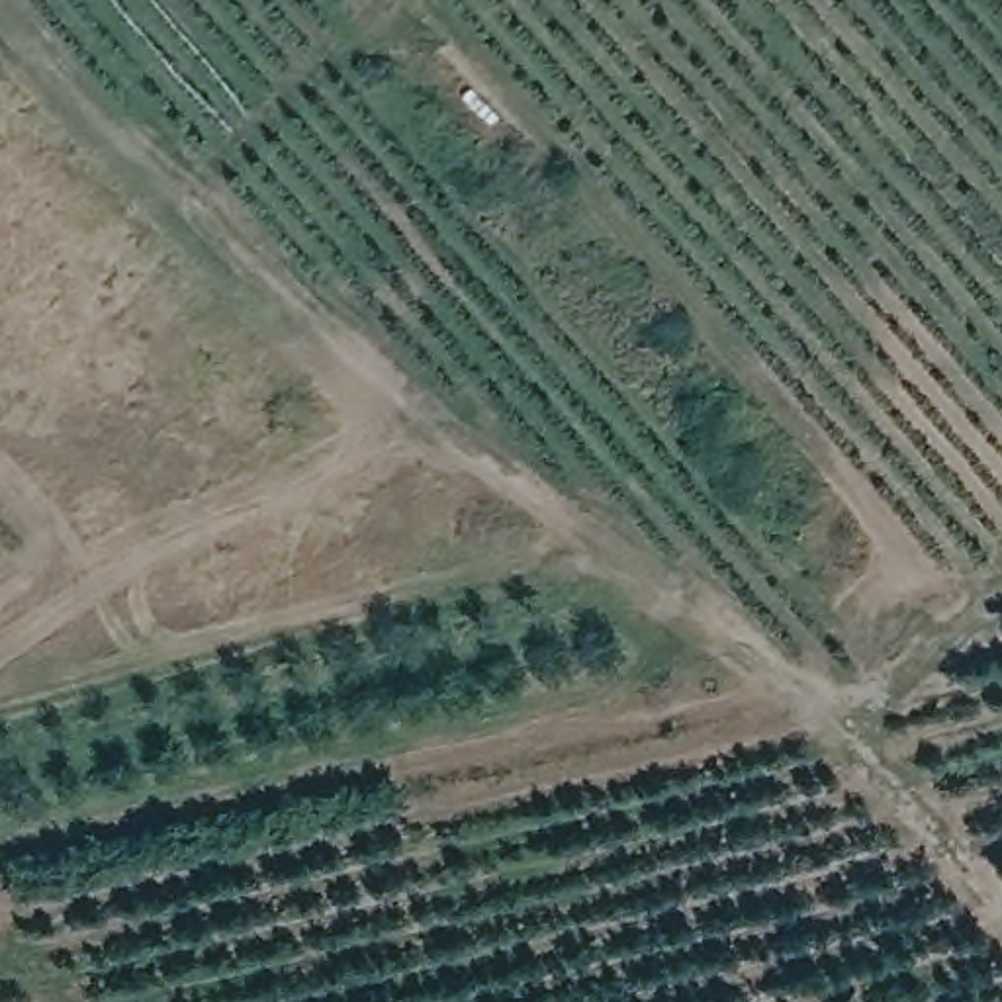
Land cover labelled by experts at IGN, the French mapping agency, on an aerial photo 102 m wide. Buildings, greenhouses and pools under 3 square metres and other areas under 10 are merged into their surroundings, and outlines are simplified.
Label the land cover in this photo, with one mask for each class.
<instances>
[{"label":"deciduous trees","instance_id":"1","mask_svg":"<svg viewBox=\"0 0 1002 1002\"><path fill-rule=\"evenodd\" d=\"M47 27L102 86L94 102L114 121L145 125L153 141L168 153V160L188 176L211 188L227 180L231 196L254 211L262 231L294 254V278L309 286V301L341 317L368 341H376V348L411 384L434 391L462 419L458 442L466 450L489 454L513 474H540L579 513L611 517L615 536L634 548L650 540L661 552L665 571H673L677 579H708L716 591L736 595V603L759 622V630L791 661H798L802 646L798 638H791L787 622L798 618L802 626H810L818 642L834 634V591L849 575L865 571L869 540L857 532L853 517L826 485L810 497V521L798 528L795 544H771L759 532V521H748L740 513L752 501V493L767 481V470L759 466V446L732 442L720 431L732 407H763L759 395L744 391L732 380L748 352H759L775 368V376L806 407V415L834 438L849 466L877 489V497L904 521L908 536L935 564L943 560L939 540L916 521L908 501L896 497V489L881 474L869 470L861 446L869 442L920 493L928 513L943 521V528L967 548L975 564H986V548L935 497L920 470L896 450V442L861 411V403L842 387L845 372H853L869 387V399H877L888 411L896 431L912 438V446L932 462V470L967 501V509L986 528H994V517L943 462V454L908 423V415L881 391L877 376H892V384L908 391V399L939 427V434L963 454V462L1002 505V481L955 434L943 411L920 391V384H912L896 368V360L865 325L873 317L885 321L888 333L912 352V360L928 368V376L955 399L967 423L1002 458V442L990 431V423H982V415L955 391L947 372L924 352V344L896 321V313L881 305V297H873V286L888 282L896 297L932 329V337L963 364L975 387L1002 411V0H31ZM450 43L462 47L501 86L497 125H485L466 110V82L438 55V47ZM333 685L321 693H286V716L270 720V712L243 708L235 716L207 697V689H192L188 724L168 728V748L157 763H145L141 732H133L121 740V767L98 775L94 763L67 767L55 779L59 795H74L78 787L98 783L117 795L149 771L172 783L180 767L223 763L227 755H247L258 744H305L317 752L344 724L352 728V736H376L387 720H458L481 705L485 693L517 697L524 677L532 673L548 681L568 677L575 669L607 673L618 661V642L599 611H579L571 626L560 630L532 626L521 642L478 646L474 658H458L450 654V634L438 626V603L391 599L376 595L364 611V622L344 626L337 630L333 646H321ZM301 661V642L294 634L282 630L270 646L251 654H243L239 642H227L219 650L223 685L235 693L243 673L251 669L258 673L262 665ZM935 720L963 724L971 740L955 748L920 744L916 763L932 771V783L943 795L986 787L990 802L967 814V830L975 838V849L1002 873V665L951 677V697H932L912 712H885L888 732ZM818 787H834V771L822 763V748L806 740L795 755H783L775 763H752L728 775H701L697 763L646 767L630 779L564 783L544 795L434 822V834H458L466 826L532 814L536 834L497 842L485 849L454 845L442 849L431 865L403 861L372 869L364 873L368 892H395L403 881H434L450 869H485L528 853L583 849L591 842H603L611 857L583 869L466 888L462 896H415L411 908L423 924L427 959L407 963H395L399 908H360L337 916L333 924L270 932L266 939H243L235 947H215L207 932L231 924H258L270 916L266 900H231V888L254 885L251 861L262 857L270 881L337 865V845L329 842H313L294 853L290 834L297 826L344 830L352 838L348 845L356 861L376 849H399L391 822L407 818V798L434 795L427 775L399 783H391L387 775L384 787L372 795L337 791L329 798H301L274 814H219L207 826H168L157 838L114 845L102 842L98 849H70L63 861L43 869L12 865L8 873H0V888L12 900H59L74 928L121 916L125 932H114L102 943H82L94 963L86 986L90 1002H748L740 986L720 979L728 967L763 955H775L779 963L775 971L759 975L763 990L775 994V1002H1002V943L979 928V920L955 900L951 888H943L939 873L924 861V853L896 861V869H885L881 861L849 865L857 888H845L842 877H826L818 888L822 900L834 904L830 920L810 916L806 896L798 888L755 892L759 877L814 869L845 849L896 845V826L873 822L861 795H849L842 806H818ZM771 834L783 845L775 853L669 873L654 885L603 892L595 900H587L579 888L587 881H611L630 869L681 861L705 849H732L748 838ZM622 908L646 912V928L611 932L607 943H595L591 932H583L560 935L552 951L528 947L532 935L548 932L552 924L603 920ZM0 806L16 818H31L35 810H43V795L27 783V767L20 759H0Z\"/></svg>","mask_w":1002,"mask_h":1002},{"label":"herbaceous vegetation","instance_id":"2","mask_svg":"<svg viewBox=\"0 0 1002 1002\"><path fill-rule=\"evenodd\" d=\"M438 55L466 82V110L485 125H497L501 86L462 47L450 43L438 47ZM39 98L35 90L27 98H12L0 86V133L39 137L43 121L20 114ZM157 262L137 251L129 227H121L110 215L102 200H94L78 184H67V176L47 168L43 157L23 164L12 153H0V454L20 462L47 497L59 501L63 513H74L78 497L90 489H121L133 501V513H149L168 501L200 497L235 474L270 478L274 466L294 458L309 438L266 427V395L301 376L309 384L337 364V356L313 329L266 348H247V341L235 329L207 333V325H192L188 313H180L168 301L164 282L153 278ZM873 297H881V305L896 313V321L924 344V352L947 372L955 391L982 415V423H990V431L1002 442V411L975 387L963 364L932 337V329L896 297L888 282L873 286ZM896 360V368L912 384H920V391L943 411L955 434L1002 481V458L967 423L955 399L928 376V368L912 360V352L888 333L885 321L873 317L865 325ZM732 380L744 391L759 395L763 407H732L720 431L732 442L759 446V466L767 470V481L752 493V501L740 513L748 521H759V532L771 544H795L798 528L810 521V497L826 485L853 517L857 532L869 540L865 571L849 575L834 591V634L818 642L810 626H802L798 618L787 622L791 638H798L802 646L798 661L806 669L830 673L834 681H853V673L892 661L896 673L885 697V712H912L932 697H951V677L1002 665V505L963 462V454L939 434V427L908 399V391L892 384V376H877L881 391L908 415V423L943 454V462L994 517V528H986L967 509V501L932 470V462L912 446V438L896 431L888 411L877 399H869V387L853 372H845L842 387L861 403V411L896 442V450L920 470L935 497L986 548V564H975L967 548L943 528V521L928 513L920 493L869 442L861 446L869 470L881 474L896 489V497L908 501L916 521L939 540L943 560L935 564L908 536L904 521L877 497V489L849 466L834 438L806 415V407L775 376V368L759 352H748ZM489 489L470 470L407 462L368 489L356 532L333 540L305 532L294 556V571L274 579L266 591H239L219 603H192L168 611L157 622L164 630H196L207 622H227L235 615L278 611L317 595H341L352 587V571L364 564L403 568L395 575L399 591L391 599L438 603V626L450 634V654L458 658H474L478 646L521 642L532 626L560 630L571 626L579 611H599L618 642V661L607 673L575 669L568 677L548 681L532 673L524 677L517 697L485 693L481 705L458 720H387L376 736H352V728L344 724L317 752L305 744H258L247 755H227L223 763L180 767L172 783L149 771L117 795L98 783L78 787L74 795H59L55 779L67 767L94 763L98 775L121 767V740L133 732H141L145 763H157L168 748V728L188 724L192 689H207V697L235 716L243 708L270 712V720L286 716V693H321L333 685L321 646H333L337 630L344 626L321 622L297 626L294 634L301 642V661L262 665L258 673L251 669L243 673L235 693L223 685L219 650L168 661L141 626L110 642L98 618L82 611L74 622L43 634L35 650L0 665V759H20L27 767V783L43 795V810H35L31 818H16L0 806V873H8L12 865L43 869L63 861L70 849H98L102 842L114 845L157 838L168 826H207L219 814H274L301 798H329L337 791L372 795L384 787L387 775L391 783H399L427 775L434 795L407 798V818L391 822L399 849H376L356 861L348 845L352 838L344 830L297 826L290 834L294 853L313 842H329L337 845V865L270 881L262 857L251 861L254 885L231 888V900H266L270 916L258 924H231L207 932L215 947H235L243 939H266L270 932L333 924L337 916L360 908H399L395 963H407L427 959L423 924L411 908L415 896H462L466 888L583 869L611 857L603 842H591L583 849L528 853L485 869H450L434 881H403L395 892H368L364 873L372 869L403 861L431 865L442 849L454 845L485 849L497 842L536 834L532 814L466 826L458 834H434V822L544 795L564 783L630 779L646 767L697 763L701 775H728L752 763H775L783 755H795L806 740L798 736L802 728L795 724V708L755 701L752 685H744L759 661L748 646L701 634L697 626L677 618L658 622L634 611L618 587L579 575L564 544L536 556V521L528 528H501L493 536L462 540L454 532L458 509ZM896 845L845 849L814 869L759 877L755 892L798 888L806 896L810 916L830 920L834 904L822 900L818 888L826 877H842L845 888H857L849 865L881 861L885 869H896V861L924 853V845L904 826H896ZM783 845L771 834L748 838L732 849H705L681 861L630 869L611 881H587L579 888L587 900H595L603 892L654 885L669 873L775 853ZM114 932H125L121 916L74 928L59 900H12L0 888V1002H90L86 986L94 963L82 943H102ZM646 912L622 908L603 920L552 924L548 932L532 935L528 947L552 951L560 935L583 932H591L595 943H607L611 932L646 928ZM779 963L775 955H763L728 967L720 979L740 986L748 1002H775V994L763 990L759 975L775 971Z\"/></svg>","mask_w":1002,"mask_h":1002},{"label":"pervious surface","instance_id":"3","mask_svg":"<svg viewBox=\"0 0 1002 1002\"><path fill-rule=\"evenodd\" d=\"M0 86L12 98H27L35 90L39 98L20 114L43 121L39 137L0 133V153H12L23 164L43 157L47 168L67 176V184H78L94 200H102L110 215L121 227H129L137 251L157 262L153 278L164 282L168 301L180 313H188L192 325H207V333L235 329L247 341V348H266L313 329L337 356V364L309 384V391L325 407L313 419L309 438L294 458L274 466L270 478L235 474L200 497L168 501L149 513H133V501L121 489H90L78 497L74 513H63L59 501L47 497L20 462L0 454V665L35 650L43 634L74 622L82 611L98 618L110 642L141 626L168 661L219 650L227 642H239L243 654H251L270 646L282 630L294 634L297 626L321 622L344 626L364 622V611L376 595L391 599L399 591L395 575L403 568L364 564L352 571V587L341 595H317L278 611L235 615L227 622H207L196 630H164L157 622L168 611L192 603H219L239 591H266L274 579L294 571V556L305 532L333 540L356 532L368 489L407 462L470 470L489 489L509 497L536 521V556L564 544L579 575L618 587L634 611L658 622L677 618L697 626L701 634L748 646L759 661L744 685H752L755 701L795 708V724L802 728L798 736L822 748V763L834 771V787H818V806H842L849 795H861L873 822L896 826H904L924 845V861L939 873L943 888H951L955 900L979 920V928L1002 943V873L975 849V838L967 830V814L990 802L986 787L943 795L932 783V771L916 763L920 744L955 748L971 740L963 724L935 720L888 732L885 712V697L896 673L892 661L853 673V681H834L830 673L806 669L798 661H791L759 630V622L736 603V595L716 591L708 579H677L673 571H665L661 552L650 540L634 548L615 536L611 517L579 513L540 474H513L489 454L466 450L458 442L462 419L434 391L411 384L376 348V341H368L341 317L309 301V286L294 278V254L262 231L254 211L231 196L227 180L211 188L188 176L168 160V153L153 141L145 125L114 121L94 102L102 86L47 27L31 0H0Z\"/></svg>","mask_w":1002,"mask_h":1002},{"label":"brushwood","instance_id":"4","mask_svg":"<svg viewBox=\"0 0 1002 1002\"><path fill-rule=\"evenodd\" d=\"M325 407L309 391V384L301 376L266 395V427L309 438L313 419ZM536 521L509 497L489 489L458 509L454 532L462 540L493 536L501 528H528Z\"/></svg>","mask_w":1002,"mask_h":1002}]
</instances>
